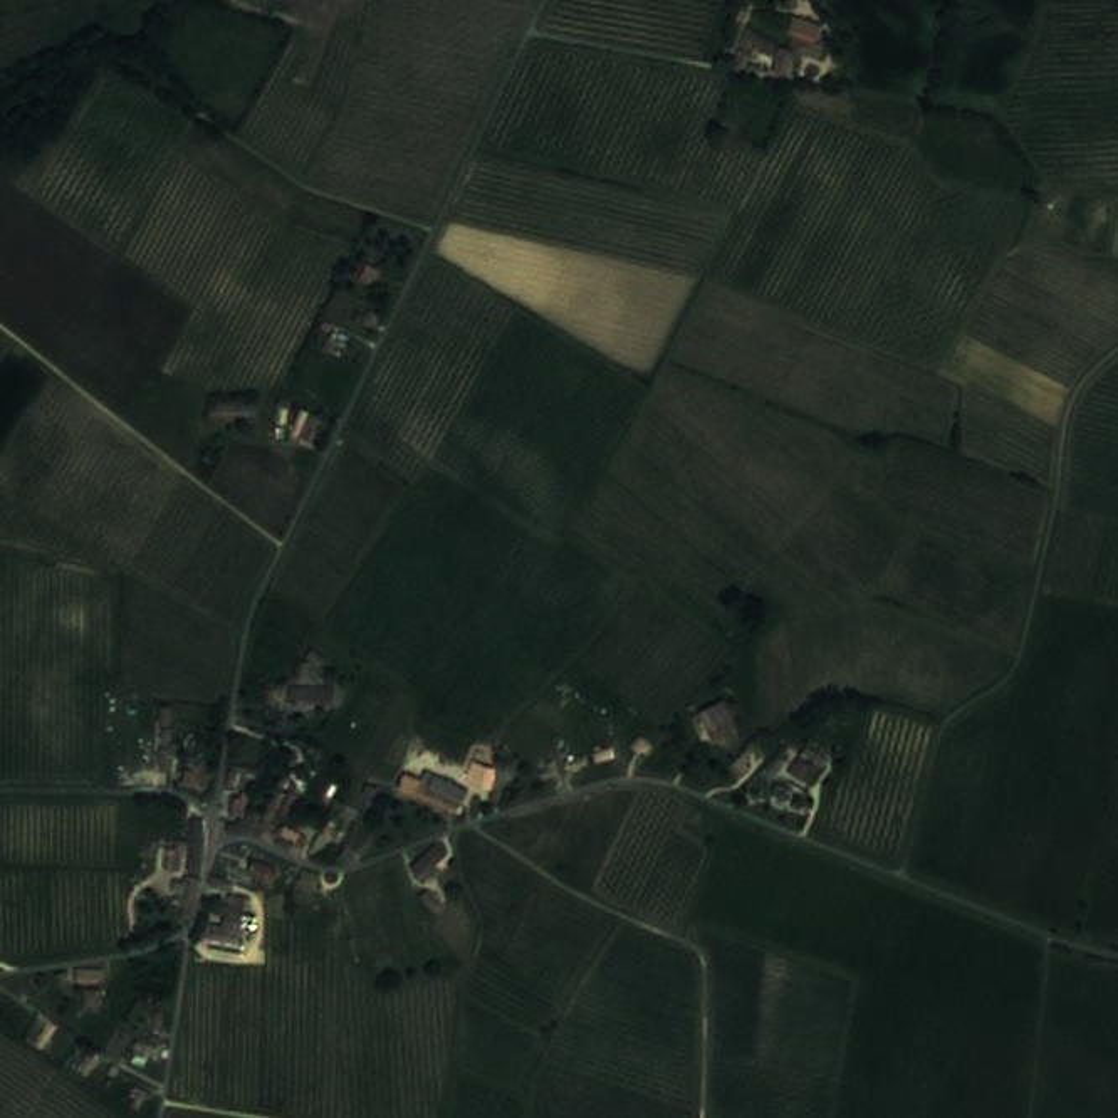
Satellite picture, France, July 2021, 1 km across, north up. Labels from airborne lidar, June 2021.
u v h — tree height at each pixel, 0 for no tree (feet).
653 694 0
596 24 0
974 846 0
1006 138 18
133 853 0
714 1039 0
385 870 0
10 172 0
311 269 0
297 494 0
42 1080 0
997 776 0
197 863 0
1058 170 0
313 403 0
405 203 0
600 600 0
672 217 0
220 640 0
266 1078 0
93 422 0
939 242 0
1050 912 0
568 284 0
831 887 0
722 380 0
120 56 56
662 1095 0
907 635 0
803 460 0
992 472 0
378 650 0
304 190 0
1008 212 0
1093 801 0
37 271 0
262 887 0
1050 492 0
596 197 0
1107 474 0
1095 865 0
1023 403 0
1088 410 0
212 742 18
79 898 0
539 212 0
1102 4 0
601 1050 0
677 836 0
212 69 0
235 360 0
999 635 0
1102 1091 0
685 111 0
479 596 0
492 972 0
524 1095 0
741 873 0
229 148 0
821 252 0
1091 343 0
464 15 0
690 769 32
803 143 0
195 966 0
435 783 0
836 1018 0
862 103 0
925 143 0
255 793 32
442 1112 0
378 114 0
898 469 0
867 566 0
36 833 0
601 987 0
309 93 0
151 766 0
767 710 0
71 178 0
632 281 0
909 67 0
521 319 0
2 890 0
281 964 0
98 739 0
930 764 0
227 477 0
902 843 0
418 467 0
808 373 0
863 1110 0
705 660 0
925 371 0
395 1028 0
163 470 0
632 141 0
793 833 0
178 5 67
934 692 0
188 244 0
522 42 0
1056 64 0
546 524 0
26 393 0
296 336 0
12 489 0
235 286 0
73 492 0
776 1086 0
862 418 0
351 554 0
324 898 0
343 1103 0
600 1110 0
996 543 0
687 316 0
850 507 0
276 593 0
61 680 0
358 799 0
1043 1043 0
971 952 0
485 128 0
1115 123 0
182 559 0
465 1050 0
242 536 0
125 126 0
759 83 47
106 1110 0
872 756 0
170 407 0
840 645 0
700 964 0
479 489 0
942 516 0
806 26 0
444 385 0
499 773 0
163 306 0
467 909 0
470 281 0
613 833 0
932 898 0
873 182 0
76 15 0
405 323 0
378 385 0
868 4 0
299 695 0
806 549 0
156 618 0
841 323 0
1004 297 0
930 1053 0
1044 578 0
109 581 0
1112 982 0
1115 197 0
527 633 0
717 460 0
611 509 0
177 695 0
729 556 0
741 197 0
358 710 0
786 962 0
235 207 0
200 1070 0
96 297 0
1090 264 0
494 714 0
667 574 0
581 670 0
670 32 0
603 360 0
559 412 0
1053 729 0
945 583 0
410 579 0
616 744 0
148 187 0
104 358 0
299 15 0
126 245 0
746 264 0
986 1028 0
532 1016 0
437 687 0
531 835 0
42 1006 0
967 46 0
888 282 0
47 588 0
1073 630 0
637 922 0
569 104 0
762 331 0
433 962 25
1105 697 0
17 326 0
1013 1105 0
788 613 0
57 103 66
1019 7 0
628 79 0
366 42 0
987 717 0
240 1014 0
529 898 0
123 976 0
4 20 0
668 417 0
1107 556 0
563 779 0
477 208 0
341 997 0
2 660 0
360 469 0
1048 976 0
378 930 0
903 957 0
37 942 0
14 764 0
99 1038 0
